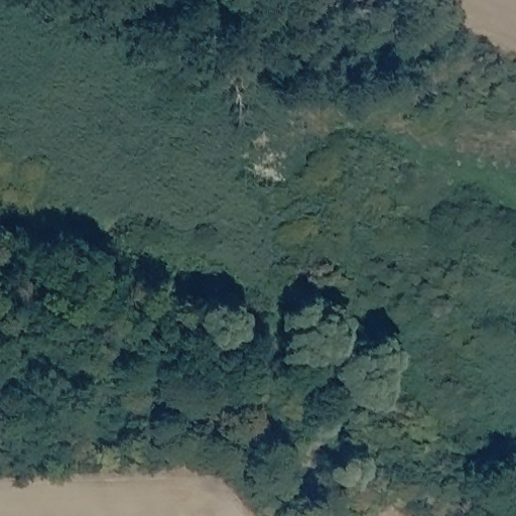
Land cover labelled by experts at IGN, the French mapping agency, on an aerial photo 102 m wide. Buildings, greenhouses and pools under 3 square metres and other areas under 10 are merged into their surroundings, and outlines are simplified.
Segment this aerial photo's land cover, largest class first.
<instances>
[{"label":"brushwood","instance_id":"1","mask_svg":"<svg viewBox=\"0 0 516 516\"><path fill-rule=\"evenodd\" d=\"M458 103H454L452 99L435 101L431 111H421L415 105L419 101V95L415 91V85H409L405 89H389L379 105H351L343 111L333 105L327 109H288L282 101L274 97L266 101L260 99L254 91H250L244 85L242 79L224 81L222 85L210 87L194 79L175 75L169 69H163L151 54V42L127 40V26H123V22H115L111 28L103 22H97L91 24V28H79L69 24V20L60 12L48 10L42 2L38 4L36 0H0V236L4 232H12L16 238L28 236V240L36 246L48 242L50 236L56 234L67 236L71 242L81 238L91 248L111 256L115 262V272L121 276H133L137 282L143 284V290L159 292V286L169 282L175 286L173 294L179 302L204 298L206 306H210L212 310H216L218 306H228L238 314L254 316V333L262 337L268 335V312L280 308L276 329L278 351L274 353L278 359L288 357L286 351L294 339V331L284 329L288 314H298L302 308L312 306L316 298H323L325 302L337 306H345L347 316L351 312L365 316L357 331L359 339L373 341L377 347L391 339L395 343L397 355H409V367L401 379V395H413L423 405H427L429 415L421 419L425 423L423 431H433L441 441L458 443V454H470L474 462H504L516 454V119L512 123L488 121L484 117V107L464 109V97H458ZM320 258H329L331 262L343 266L347 270L345 278L333 276L329 278V286L325 288L308 282V274L302 270L306 264H312ZM220 20L232 26H240V14L226 8L222 0H218ZM375 75L379 79H385L391 71L399 69V56L395 54V48L391 44H383L375 52ZM371 69V60L365 56L355 67L347 69L349 83H365L363 73ZM264 433L268 437H274L278 443L284 445H296L294 441H290L288 429L282 425V421L268 419V427ZM353 460H367L365 443H341L339 447L320 445L318 449H314V466L306 470L304 482L298 490L302 498L327 502L329 488L318 484L316 478L325 472L347 468Z\"/></svg>","mask_w":516,"mask_h":516},{"label":"deciduous trees","instance_id":"2","mask_svg":"<svg viewBox=\"0 0 516 516\"><path fill-rule=\"evenodd\" d=\"M38 4L42 2L48 10L60 12L69 20V24L79 28H91V24L97 22H103L111 28L115 22H123V26H127V40L151 42V54L163 69H169L175 75L194 79L210 87L222 85L224 81L242 79L244 85L250 91H254L260 99L266 101L274 97L282 101L288 109H327L333 105L343 111L351 105H379L389 89H405L409 85H415V91L419 95V101L415 105L421 111H431L435 101L452 99L454 103H458V97H464V109L484 107V117L488 121L512 123L516 119V52H502L486 36L474 34L470 28H466V12L460 0H222L226 8L240 14V26H232L220 20L218 0H36ZM383 44H391L395 48V54L399 56V69L391 71L385 79H379L375 75V52ZM365 56L371 60V69L363 73L365 83H349L347 69L355 67ZM175 286L169 282L159 286V292L143 290V284L137 282L133 276H121L115 272V262L111 256L91 248L81 238L71 242L67 236L56 234L50 236L48 242L36 246L28 240V236L16 238L12 232H4L0 236V476L12 478L14 484L22 488L34 478L67 482L75 474H157L161 470L187 468L200 476H216L224 480V484H228L238 494V498L244 502V506L250 508L254 516H516V454L504 462H474L470 454H458V443L441 441L433 431H423L425 423L421 419L429 415L427 405H423L413 395H401V379L409 367V355H397L395 343L391 339L377 347L373 341L359 339L357 331L365 316L351 312L347 316L345 306H337L325 302L323 298H316L312 306L302 308L298 314H288L284 329L294 331V339L286 351L288 357L278 359L274 353L278 351L276 329L280 308L268 312V335L262 337L254 333V316L238 314L228 306H218L216 310H212L210 306H206L204 298L179 302L173 294ZM268 419L282 421V425L288 429L290 441H294L296 445H284L278 443L274 437H268L264 433L268 427ZM341 443H365L367 460H353L347 468L325 472L316 478L318 484L329 488L327 502L302 498L298 490L304 482L306 470L314 466V449H318L320 445L339 447ZM308 274V282L325 288L329 286V278L333 276L345 278L347 270L343 266L331 262L329 258H320L312 264H306L302 270Z\"/></svg>","mask_w":516,"mask_h":516},{"label":"plowed land","instance_id":"3","mask_svg":"<svg viewBox=\"0 0 516 516\"><path fill-rule=\"evenodd\" d=\"M466 12V28H470L474 34L486 36L502 52H516V0H460ZM0 516H254L250 508L244 506V502L238 498V494L228 484H224V480L216 476H200L187 468L161 470L157 474H75L67 482L34 478L22 488L14 484L12 478L0 476Z\"/></svg>","mask_w":516,"mask_h":516}]
</instances>
